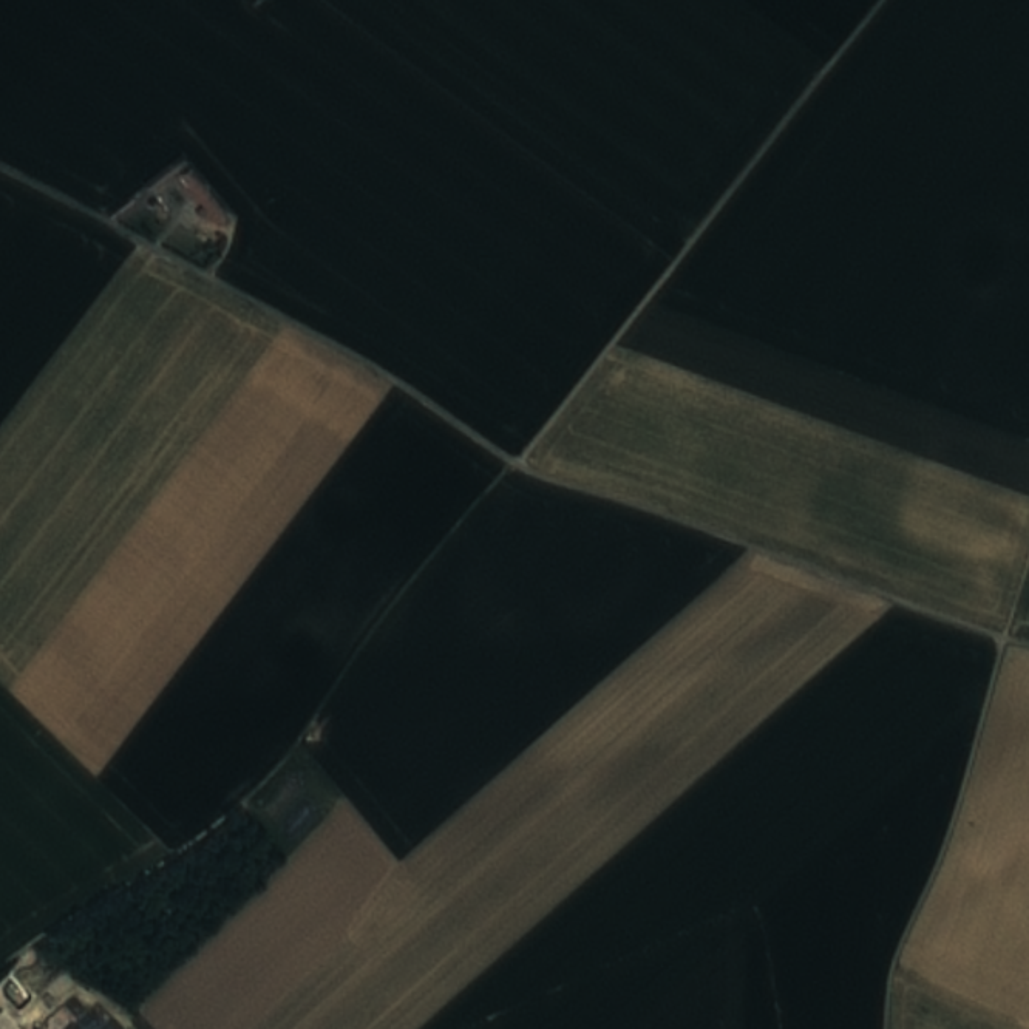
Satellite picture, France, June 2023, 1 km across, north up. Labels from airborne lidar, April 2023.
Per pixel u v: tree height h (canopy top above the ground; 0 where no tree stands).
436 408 0
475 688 0
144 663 0
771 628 0
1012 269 0
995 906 0
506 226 0
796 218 0
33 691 0
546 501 0
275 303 0
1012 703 0
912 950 0
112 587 0
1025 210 0
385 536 0
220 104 0
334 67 0
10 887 0
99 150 0
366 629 0
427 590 0
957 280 0
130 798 0
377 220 0
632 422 0
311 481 0
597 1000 0
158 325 0
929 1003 0
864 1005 0
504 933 0
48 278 0
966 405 0
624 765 0
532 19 0
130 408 0
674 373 0
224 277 0
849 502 0
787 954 0
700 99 0
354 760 0
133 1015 0
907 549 0
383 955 0
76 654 0
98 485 0
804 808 0
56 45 0
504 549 0
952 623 0
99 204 0
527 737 0
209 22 0
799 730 0
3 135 0
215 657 0
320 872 0
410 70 0
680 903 0
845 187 0
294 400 0
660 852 0
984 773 0
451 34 0
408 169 0
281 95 0
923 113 0
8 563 0
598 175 0
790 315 0
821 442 0
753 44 0
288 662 0
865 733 0
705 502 0
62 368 0
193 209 0
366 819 0
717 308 0
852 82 0
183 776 0
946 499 0
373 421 0
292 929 0
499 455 0
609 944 0
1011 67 0
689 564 0
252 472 0
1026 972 0
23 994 0
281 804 0
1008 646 0
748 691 0
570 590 0
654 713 0
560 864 0
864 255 0
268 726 0
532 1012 0
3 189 0
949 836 0
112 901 18
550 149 0
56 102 0
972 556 0
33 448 0
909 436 0
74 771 0
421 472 0
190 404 0
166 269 0
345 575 0
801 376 0
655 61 0
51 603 0
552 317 0
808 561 0
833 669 0
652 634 0
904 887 0
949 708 0
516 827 0
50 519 0
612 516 0
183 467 0
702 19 0
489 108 0
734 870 0
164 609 0
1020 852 0
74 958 11
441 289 0
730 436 0
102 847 0
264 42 0
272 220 0
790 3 0
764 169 0
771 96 0
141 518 0
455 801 0
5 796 0
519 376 0
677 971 0
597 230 0
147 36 0
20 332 0
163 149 0
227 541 0
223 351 0
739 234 0
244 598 0
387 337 0
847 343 0
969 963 0
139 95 0
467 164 0
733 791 0
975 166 0
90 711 0
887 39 0
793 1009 0
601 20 0
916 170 0
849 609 0
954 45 0
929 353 0
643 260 0
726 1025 0
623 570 0
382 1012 0
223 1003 0
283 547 0
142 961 13
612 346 0
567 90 0
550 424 0
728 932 0
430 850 0
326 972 0
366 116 0
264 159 0
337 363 0
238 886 18
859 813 0
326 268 0
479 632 0
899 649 0
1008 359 0
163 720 0
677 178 0
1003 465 0
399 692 0
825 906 0
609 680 0
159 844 0
